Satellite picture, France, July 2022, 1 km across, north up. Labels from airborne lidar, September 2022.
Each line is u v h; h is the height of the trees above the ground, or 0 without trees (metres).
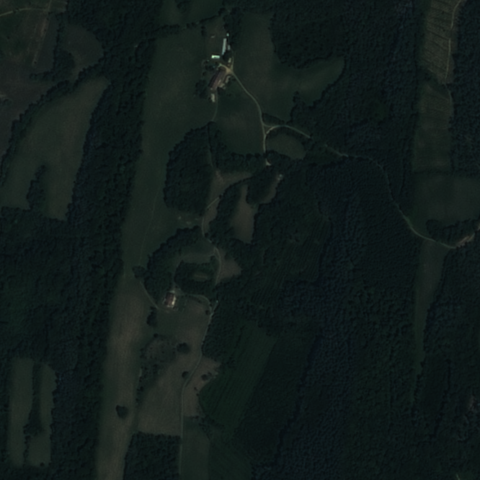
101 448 0
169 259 13
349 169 21
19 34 0
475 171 15
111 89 13
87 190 25
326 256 20
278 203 24
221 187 0
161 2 24
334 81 0
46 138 0
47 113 0
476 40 16
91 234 23
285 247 6
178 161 22
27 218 10
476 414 19
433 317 16
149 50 25
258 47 0
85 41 0
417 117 25
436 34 0
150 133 0
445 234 19
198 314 0
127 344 0
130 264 0
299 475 33
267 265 10
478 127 11
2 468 7
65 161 0
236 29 18
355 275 21
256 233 14
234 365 11
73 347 23
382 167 16
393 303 19
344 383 37
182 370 0
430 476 21
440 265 0
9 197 0
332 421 32
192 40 0
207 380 19
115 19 7
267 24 0
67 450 19
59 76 27
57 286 18
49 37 0
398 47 41
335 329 28
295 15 13
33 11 0
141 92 8
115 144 7
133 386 0
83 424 20
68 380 25
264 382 6
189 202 20
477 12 16
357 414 19
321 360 31
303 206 15
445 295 23
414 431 26
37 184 15
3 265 12
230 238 24
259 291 6
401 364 24
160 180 0
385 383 18
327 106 16
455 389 21
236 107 0
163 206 0
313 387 29
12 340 7
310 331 8
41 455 0
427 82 20
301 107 20
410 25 36
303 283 24
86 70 16
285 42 6
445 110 0
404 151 22
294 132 8
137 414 0
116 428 0
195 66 0
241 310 29
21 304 6
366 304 22
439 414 9
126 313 0
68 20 17
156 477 13
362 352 26
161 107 0
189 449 0
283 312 32
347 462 23
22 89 0
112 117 26
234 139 0
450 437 28
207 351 15
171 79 0
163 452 14
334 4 16
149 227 0
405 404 18
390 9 18
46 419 0
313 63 14
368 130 31
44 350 9
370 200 23
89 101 0
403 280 19
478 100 17
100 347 21
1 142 0
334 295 40
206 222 0
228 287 15
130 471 23
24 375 0
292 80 0
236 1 14
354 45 16
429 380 7
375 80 20
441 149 0
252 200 16
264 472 22
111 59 21
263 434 5
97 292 21
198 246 0
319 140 13
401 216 21
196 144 14
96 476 17
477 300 11
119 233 23
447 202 0
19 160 0
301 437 31
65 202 0
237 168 19
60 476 14
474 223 13
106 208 27
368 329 8
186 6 19
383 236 22
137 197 0
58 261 14
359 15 16
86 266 27
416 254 17
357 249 37
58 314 22
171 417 0
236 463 0
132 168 21
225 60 15
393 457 22
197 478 0
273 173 13
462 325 20
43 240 8
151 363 0
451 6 0
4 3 0
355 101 17
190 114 0
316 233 6
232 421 0
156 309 18
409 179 20
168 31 15
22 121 14
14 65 0
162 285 14
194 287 13
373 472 21
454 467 13
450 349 24
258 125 0
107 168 27
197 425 0
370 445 17
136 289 0
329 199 20
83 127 0
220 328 10
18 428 0
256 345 0
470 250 17
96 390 20
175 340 0
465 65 22
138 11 19
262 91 0
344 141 19
